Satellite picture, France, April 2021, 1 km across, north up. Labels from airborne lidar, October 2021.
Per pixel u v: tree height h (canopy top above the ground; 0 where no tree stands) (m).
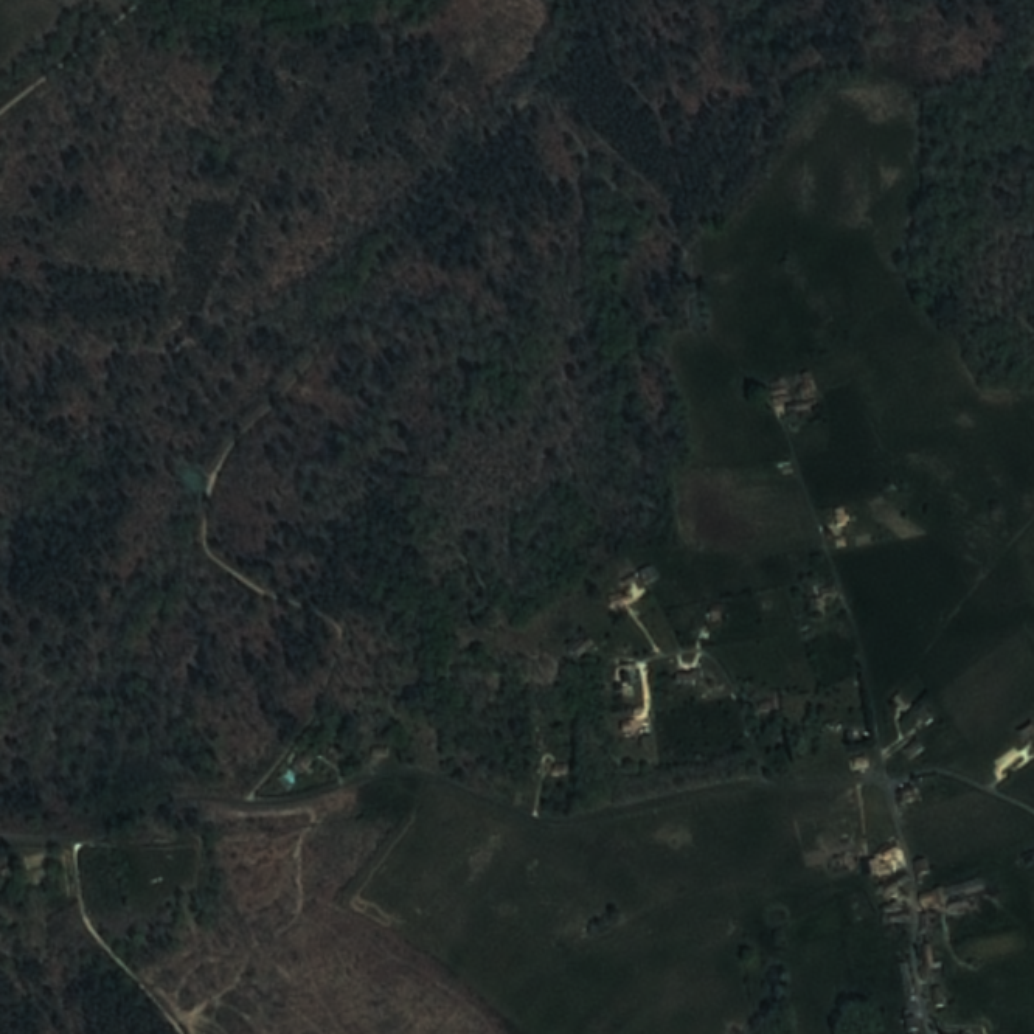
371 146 18
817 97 11
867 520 0
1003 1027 0
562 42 12
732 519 0
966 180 20
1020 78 21
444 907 0
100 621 18
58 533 13
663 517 15
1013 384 14
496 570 13
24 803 17
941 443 0
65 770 13
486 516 11
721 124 21
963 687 0
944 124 12
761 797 0
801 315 0
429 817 0
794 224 0
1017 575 0
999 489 0
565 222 18
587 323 15
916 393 0
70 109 9
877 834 0
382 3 15
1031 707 0
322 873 0
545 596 15
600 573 8
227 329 13
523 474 9
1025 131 20
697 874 0
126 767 15
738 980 0
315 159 14
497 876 0
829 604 8
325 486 17
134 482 19
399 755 8
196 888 0
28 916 20
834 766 0
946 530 0
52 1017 25
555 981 0
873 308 0
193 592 18
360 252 15
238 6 16
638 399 15
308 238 7
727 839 0
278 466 20
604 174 25
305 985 0
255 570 12
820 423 7
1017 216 13
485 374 16
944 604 0
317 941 0
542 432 17
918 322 0
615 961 0
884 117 0
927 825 0
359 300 14
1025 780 0
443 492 6
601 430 20
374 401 14
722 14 8
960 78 9
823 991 0
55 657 20
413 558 17
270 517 7
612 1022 0
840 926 0
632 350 20
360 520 12
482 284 11
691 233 20
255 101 21
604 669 11
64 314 16
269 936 0
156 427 6
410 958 0
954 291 11
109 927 0
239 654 11
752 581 0
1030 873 0
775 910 0
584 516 23
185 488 8
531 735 15
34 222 9
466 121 15
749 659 0
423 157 23
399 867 0
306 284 14
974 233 10
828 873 0
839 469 0
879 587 0
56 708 12
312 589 21
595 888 0
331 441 9
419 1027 0
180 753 13
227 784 10
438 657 20
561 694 15
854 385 0
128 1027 27
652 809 0
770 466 0
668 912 0
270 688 20
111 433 10
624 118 17
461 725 24
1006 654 0
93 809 21
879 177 0
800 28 9
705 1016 0
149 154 6
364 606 21
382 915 0
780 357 0
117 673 13
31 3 0
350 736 23
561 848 0
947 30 7
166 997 0
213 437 20
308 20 18
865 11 17
